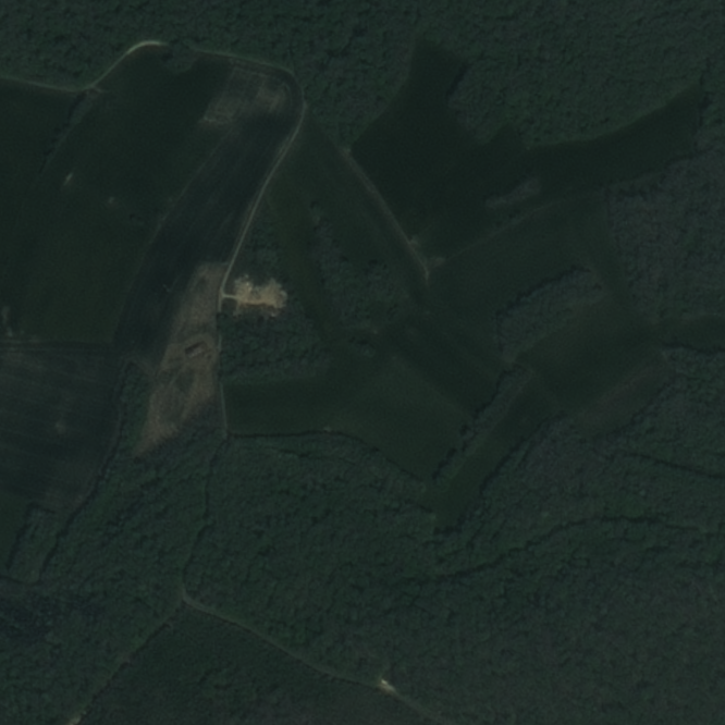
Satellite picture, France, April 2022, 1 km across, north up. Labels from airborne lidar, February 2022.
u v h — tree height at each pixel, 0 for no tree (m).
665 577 31
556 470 25
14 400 0
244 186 0
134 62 0
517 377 7
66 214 0
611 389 0
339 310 17
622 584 32
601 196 0
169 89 0
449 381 0
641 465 23
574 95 25
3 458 0
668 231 26
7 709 28
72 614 23
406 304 0
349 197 0
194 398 0
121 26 26
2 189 0
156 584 25
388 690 0
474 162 0
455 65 0
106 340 0
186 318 0
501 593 24
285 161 0
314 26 24
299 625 24
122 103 0
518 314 25
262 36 24
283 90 0
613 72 27
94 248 0
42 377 0
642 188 0
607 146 0
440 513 0
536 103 20
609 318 0
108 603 20
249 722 25
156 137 0
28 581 14
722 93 26
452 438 0
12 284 0
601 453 18
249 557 24
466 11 24
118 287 0
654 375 0
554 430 23
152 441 0
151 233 0
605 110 27
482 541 28
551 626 33
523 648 30
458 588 25
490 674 30
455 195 0
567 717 31
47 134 0
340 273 17
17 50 30
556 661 30
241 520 22
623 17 29
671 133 0
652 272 25
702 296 7
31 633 21
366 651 27
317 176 0
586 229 0
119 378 0
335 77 23
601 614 26
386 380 0
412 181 0
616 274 0
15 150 0
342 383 0
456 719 25
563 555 25
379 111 23
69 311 0
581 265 0
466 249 0
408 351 0
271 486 24
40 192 0
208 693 16
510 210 0
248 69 0
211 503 21
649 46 22
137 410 11
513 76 28
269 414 0
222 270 0
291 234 0
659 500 24
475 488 0
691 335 0
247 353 15
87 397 0
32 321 0
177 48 21
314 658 26
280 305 0
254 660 10
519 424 0
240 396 0
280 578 23
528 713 26
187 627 11
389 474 24
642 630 32
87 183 0
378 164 0
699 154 12
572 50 20
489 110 25
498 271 0
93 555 20
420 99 0
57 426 0
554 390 0
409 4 22
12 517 0
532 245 0
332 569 26
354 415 0
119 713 16
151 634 15
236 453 16
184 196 0
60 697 26
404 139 0
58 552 9
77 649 26
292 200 0
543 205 0
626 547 27
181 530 24
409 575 23
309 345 15
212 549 24
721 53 27
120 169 0
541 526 26
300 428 0
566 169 0
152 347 0
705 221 23
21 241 0
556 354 0
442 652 25
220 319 12
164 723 16
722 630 32
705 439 22
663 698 32
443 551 26
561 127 25
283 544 24
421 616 31
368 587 29
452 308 0
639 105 20
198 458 21
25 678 25
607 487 28
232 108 0
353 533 28
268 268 10
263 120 0
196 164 0
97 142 0
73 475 0
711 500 23
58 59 28
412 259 0
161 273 0
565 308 22
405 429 0
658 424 22
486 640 30
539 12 28
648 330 0
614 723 35
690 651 32
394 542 26
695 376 21
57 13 29
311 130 0
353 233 0
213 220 0
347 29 29
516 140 0
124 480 16
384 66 25
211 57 0
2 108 0
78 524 15
